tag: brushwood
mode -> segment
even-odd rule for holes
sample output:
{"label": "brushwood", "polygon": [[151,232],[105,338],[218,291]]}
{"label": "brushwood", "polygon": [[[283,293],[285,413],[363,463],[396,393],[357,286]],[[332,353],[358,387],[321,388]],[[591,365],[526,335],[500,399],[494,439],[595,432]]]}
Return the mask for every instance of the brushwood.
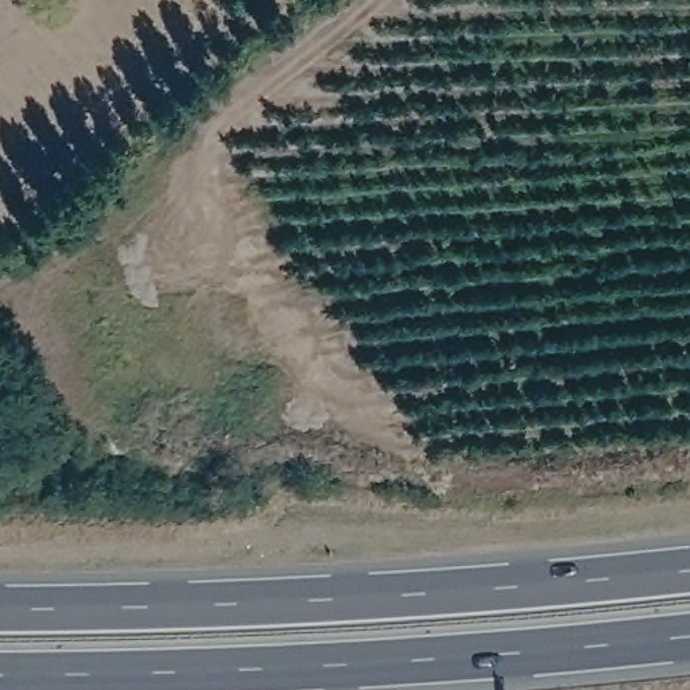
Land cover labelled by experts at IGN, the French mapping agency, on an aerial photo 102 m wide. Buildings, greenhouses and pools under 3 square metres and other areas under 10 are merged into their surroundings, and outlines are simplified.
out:
{"label": "brushwood", "polygon": [[671,499],[671,496],[677,496],[677,493],[685,493],[685,491],[690,491],[690,480],[668,480],[668,482],[660,482],[660,485],[658,485],[658,493],[660,493],[660,496],[663,496],[663,499]]}
{"label": "brushwood", "polygon": [[113,407],[113,423],[132,426],[148,410],[148,402],[178,396],[178,402],[194,407],[191,420],[199,429],[224,431],[237,445],[256,434],[253,415],[264,404],[264,399],[272,391],[278,391],[278,380],[283,375],[275,364],[270,364],[251,361],[248,367],[240,367],[237,375],[232,375],[224,385],[216,388],[167,383],[164,388],[143,391],[135,399],[124,396]]}

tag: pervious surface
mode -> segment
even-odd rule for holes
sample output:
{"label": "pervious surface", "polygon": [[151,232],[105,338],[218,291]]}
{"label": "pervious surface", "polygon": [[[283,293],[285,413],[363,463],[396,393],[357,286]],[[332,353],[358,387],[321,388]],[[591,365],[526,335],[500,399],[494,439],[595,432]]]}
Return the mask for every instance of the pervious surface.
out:
{"label": "pervious surface", "polygon": [[305,16],[302,24],[294,30],[291,46],[286,46],[283,51],[259,54],[259,59],[253,62],[253,73],[243,75],[232,86],[229,100],[216,102],[210,108],[213,116],[197,127],[194,146],[175,156],[170,164],[167,194],[156,197],[146,210],[135,213],[137,224],[143,224],[143,232],[135,237],[132,245],[124,245],[119,251],[119,261],[124,264],[132,296],[148,307],[156,307],[159,294],[178,288],[194,288],[205,296],[208,291],[243,294],[251,310],[248,318],[259,326],[264,353],[272,358],[270,364],[275,364],[283,375],[294,380],[291,402],[283,412],[283,420],[291,429],[323,429],[323,423],[329,420],[345,426],[348,431],[358,431],[369,445],[380,445],[394,456],[420,458],[426,453],[407,434],[404,412],[394,404],[394,391],[380,388],[369,369],[361,369],[350,358],[350,348],[356,348],[353,332],[342,329],[337,318],[329,318],[323,313],[332,305],[332,296],[321,294],[318,288],[299,288],[296,278],[283,270],[288,264],[288,256],[278,253],[267,243],[270,208],[259,194],[243,194],[245,186],[240,181],[240,173],[234,170],[232,159],[226,146],[226,132],[259,129],[264,124],[261,105],[267,100],[275,105],[294,108],[332,108],[340,100],[334,92],[326,92],[315,84],[318,73],[345,70],[356,75],[361,70],[358,59],[350,57],[350,49],[356,43],[377,46],[375,40],[380,32],[372,30],[372,19],[407,16],[410,0],[340,0],[337,13]]}
{"label": "pervious surface", "polygon": [[46,520],[46,515],[40,515],[30,526],[24,520],[0,523],[0,574],[167,574],[202,569],[345,566],[369,561],[412,561],[612,544],[631,539],[690,534],[690,491],[685,491],[685,493],[677,493],[677,496],[671,496],[671,499],[663,499],[663,496],[660,496],[596,501],[577,509],[437,509],[420,509],[410,501],[383,499],[372,493],[342,493],[332,499],[299,499],[294,491],[280,488],[264,507],[256,507],[243,520],[191,520],[183,526],[135,520],[70,523],[70,515],[57,515],[54,523]]}

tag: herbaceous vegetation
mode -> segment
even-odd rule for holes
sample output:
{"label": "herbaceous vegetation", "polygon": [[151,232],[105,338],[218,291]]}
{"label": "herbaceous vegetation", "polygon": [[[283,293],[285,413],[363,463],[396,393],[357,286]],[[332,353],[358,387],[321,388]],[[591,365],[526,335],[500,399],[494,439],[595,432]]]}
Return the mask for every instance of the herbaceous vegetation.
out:
{"label": "herbaceous vegetation", "polygon": [[690,113],[690,75],[677,73],[671,78],[655,78],[652,97],[644,100],[617,100],[620,89],[641,84],[641,75],[623,75],[606,81],[606,97],[590,105],[542,100],[534,108],[477,108],[474,119],[482,127],[482,135],[461,135],[453,146],[477,148],[488,140],[515,140],[520,146],[601,146],[674,135],[677,124],[639,124],[636,129],[558,127],[553,132],[493,132],[485,116],[571,119],[579,113],[612,113],[628,119],[633,111]]}
{"label": "herbaceous vegetation", "polygon": [[380,32],[375,40],[377,46],[456,40],[558,43],[563,38],[585,38],[585,43],[593,43],[658,35],[658,27],[458,27],[431,32]]}
{"label": "herbaceous vegetation", "polygon": [[361,70],[450,70],[458,65],[523,67],[528,62],[647,65],[663,59],[674,62],[679,59],[679,51],[515,57],[493,51],[469,51],[466,57],[450,59],[358,59]]}
{"label": "herbaceous vegetation", "polygon": [[240,181],[245,186],[243,194],[259,194],[259,181],[272,181],[272,170],[240,173]]}
{"label": "herbaceous vegetation", "polygon": [[690,690],[690,674],[650,677],[631,682],[625,690]]}
{"label": "herbaceous vegetation", "polygon": [[437,81],[418,81],[404,86],[372,84],[369,89],[342,84],[334,92],[340,100],[377,100],[380,94],[407,97],[418,92],[450,97],[482,92],[526,94],[536,86],[590,89],[590,78],[531,78],[499,84],[485,81],[453,86],[439,86]]}
{"label": "herbaceous vegetation", "polygon": [[544,456],[536,458],[534,466],[504,464],[499,456],[469,464],[458,453],[442,456],[439,461],[429,461],[426,453],[420,458],[394,456],[380,445],[369,445],[358,431],[348,431],[345,426],[329,420],[323,423],[323,429],[291,429],[283,420],[283,412],[291,402],[294,380],[283,375],[278,380],[278,391],[272,391],[264,399],[264,404],[253,415],[256,434],[237,445],[224,431],[199,429],[191,420],[194,407],[178,402],[178,396],[148,402],[148,410],[132,426],[113,423],[113,407],[124,396],[135,399],[143,391],[164,388],[167,383],[216,388],[224,385],[232,375],[237,375],[240,367],[248,367],[251,361],[270,364],[272,358],[264,353],[259,326],[248,318],[251,310],[243,294],[208,291],[205,296],[194,288],[178,288],[159,294],[156,307],[148,307],[132,296],[124,264],[119,261],[119,251],[124,245],[132,245],[135,237],[143,232],[143,224],[137,224],[135,213],[146,210],[156,197],[167,194],[170,164],[175,156],[194,146],[197,127],[189,129],[181,143],[170,137],[148,143],[148,148],[140,154],[137,173],[124,173],[121,191],[127,208],[105,208],[105,224],[89,245],[78,248],[75,253],[57,251],[27,280],[0,275],[0,321],[8,321],[13,315],[19,329],[32,337],[32,345],[43,358],[49,383],[54,383],[54,388],[62,394],[67,404],[67,415],[73,420],[81,420],[86,431],[105,434],[111,456],[140,458],[148,466],[162,466],[170,474],[178,474],[191,472],[199,456],[208,456],[210,450],[224,450],[226,480],[232,474],[253,472],[256,464],[283,464],[291,458],[307,458],[313,464],[332,466],[334,474],[342,480],[342,493],[372,493],[372,482],[412,480],[439,493],[437,509],[577,509],[596,501],[660,496],[660,493],[658,493],[658,485],[660,485],[660,482],[668,482],[668,480],[690,480],[690,450],[663,447],[647,453],[606,453],[590,458]]}
{"label": "herbaceous vegetation", "polygon": [[296,156],[299,151],[294,143],[275,148],[248,143],[226,146],[232,159],[251,154],[280,159]]}
{"label": "herbaceous vegetation", "polygon": [[407,16],[690,16],[690,0],[410,0]]}
{"label": "herbaceous vegetation", "polygon": [[655,159],[666,154],[690,156],[690,143],[658,146],[647,151],[615,151],[615,159],[620,162]]}

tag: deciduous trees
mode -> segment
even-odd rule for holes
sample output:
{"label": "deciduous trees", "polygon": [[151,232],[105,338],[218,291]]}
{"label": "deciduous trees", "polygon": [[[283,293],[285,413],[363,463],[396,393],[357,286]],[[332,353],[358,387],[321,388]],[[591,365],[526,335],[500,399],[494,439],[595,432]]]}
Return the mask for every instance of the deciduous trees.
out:
{"label": "deciduous trees", "polygon": [[46,520],[54,523],[57,515],[70,515],[70,523],[135,520],[183,526],[191,520],[243,520],[256,507],[264,507],[280,488],[294,491],[299,499],[332,499],[342,493],[342,480],[334,474],[332,466],[313,464],[307,458],[291,458],[283,464],[256,464],[253,472],[232,474],[226,480],[224,450],[210,450],[208,456],[199,456],[191,472],[178,474],[170,474],[162,466],[148,466],[140,458],[111,456],[105,434],[86,431],[81,420],[73,420],[67,415],[67,404],[62,394],[54,388],[54,383],[49,383],[43,358],[32,345],[32,337],[19,329],[13,315],[8,321],[0,321],[0,523],[24,520],[30,526],[40,515],[46,515]]}
{"label": "deciduous trees", "polygon": [[383,499],[410,501],[420,509],[437,509],[439,493],[412,480],[372,482],[372,493]]}
{"label": "deciduous trees", "polygon": [[283,270],[296,278],[299,288],[318,288],[321,294],[332,296],[332,305],[323,313],[329,318],[337,318],[342,329],[353,332],[356,348],[350,348],[350,358],[361,369],[369,369],[380,388],[394,391],[394,404],[404,412],[407,434],[426,453],[429,461],[439,461],[442,456],[458,453],[469,464],[499,456],[504,464],[534,466],[536,458],[544,456],[590,458],[606,453],[647,453],[663,447],[690,450],[690,156],[666,154],[655,159],[620,162],[615,159],[615,151],[647,151],[658,146],[690,143],[690,113],[633,111],[628,119],[612,113],[579,113],[571,119],[485,116],[493,132],[553,132],[558,127],[636,129],[639,124],[677,124],[674,135],[601,146],[520,146],[515,140],[488,140],[477,148],[453,146],[461,135],[482,135],[482,127],[474,119],[477,108],[534,108],[542,100],[590,105],[606,97],[606,81],[623,75],[641,75],[641,84],[620,89],[617,100],[644,100],[652,97],[655,78],[671,78],[677,73],[690,75],[690,16],[407,16],[372,19],[372,30],[380,32],[431,32],[458,27],[658,27],[658,35],[593,43],[585,43],[585,38],[563,38],[558,43],[456,40],[377,46],[356,43],[350,49],[350,57],[358,59],[450,59],[466,57],[469,51],[493,51],[515,57],[679,51],[679,59],[674,62],[663,59],[647,65],[528,62],[523,67],[458,65],[450,70],[361,70],[356,75],[345,70],[318,73],[315,84],[326,92],[334,92],[342,84],[369,89],[372,84],[404,86],[418,81],[437,81],[439,86],[453,86],[485,81],[499,84],[531,78],[590,78],[590,89],[536,86],[526,94],[482,92],[450,97],[418,92],[407,97],[380,94],[377,100],[340,100],[332,108],[294,108],[275,105],[267,100],[261,105],[264,124],[259,129],[226,132],[226,146],[248,143],[275,148],[294,143],[299,151],[296,156],[280,159],[251,154],[232,159],[234,170],[240,173],[272,170],[272,181],[259,181],[259,194],[270,208],[267,243],[278,253],[288,256],[288,264]]}
{"label": "deciduous trees", "polygon": [[46,30],[67,27],[81,0],[22,0],[22,5],[32,13],[32,22]]}
{"label": "deciduous trees", "polygon": [[283,51],[286,46],[291,46],[294,30],[302,24],[305,16],[337,13],[340,0],[288,0],[286,13],[278,11],[272,22],[251,27],[253,40],[248,40],[234,59],[218,57],[218,65],[205,67],[205,73],[189,89],[181,92],[181,97],[173,102],[173,111],[167,111],[151,127],[143,127],[140,135],[127,137],[121,154],[111,154],[111,167],[86,167],[86,173],[78,175],[59,194],[59,202],[49,191],[35,194],[30,199],[35,210],[32,224],[27,229],[32,237],[11,245],[8,256],[0,253],[0,275],[27,280],[57,251],[75,253],[78,248],[89,245],[105,224],[105,208],[127,208],[121,191],[124,173],[137,173],[140,154],[148,148],[148,143],[170,137],[181,143],[189,129],[197,127],[213,116],[210,108],[216,102],[229,100],[232,86],[243,75],[253,73],[253,62],[259,59],[259,54]]}

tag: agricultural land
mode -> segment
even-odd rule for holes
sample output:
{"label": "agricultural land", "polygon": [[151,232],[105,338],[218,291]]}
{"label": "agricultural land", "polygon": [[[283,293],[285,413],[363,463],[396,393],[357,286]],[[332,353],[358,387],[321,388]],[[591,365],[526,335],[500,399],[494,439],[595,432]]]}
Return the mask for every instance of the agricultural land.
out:
{"label": "agricultural land", "polygon": [[173,111],[173,102],[181,97],[181,92],[189,89],[205,73],[205,67],[218,65],[218,57],[234,59],[248,40],[253,40],[251,27],[272,22],[278,11],[286,13],[288,0],[81,0],[67,27],[46,30],[32,22],[32,13],[22,5],[22,0],[0,0],[0,253],[8,256],[11,245],[32,237],[27,229],[32,224],[35,210],[30,199],[35,194],[49,191],[59,202],[59,194],[78,175],[86,173],[86,167],[111,167],[111,154],[121,154],[127,137],[140,135],[143,127],[151,127],[167,111]]}

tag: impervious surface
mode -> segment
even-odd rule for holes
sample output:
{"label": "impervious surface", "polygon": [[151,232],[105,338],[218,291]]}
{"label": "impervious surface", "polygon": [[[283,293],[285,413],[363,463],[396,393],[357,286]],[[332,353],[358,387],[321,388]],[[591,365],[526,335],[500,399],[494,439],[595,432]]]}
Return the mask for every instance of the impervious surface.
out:
{"label": "impervious surface", "polygon": [[612,544],[412,561],[369,561],[345,566],[202,569],[167,574],[0,574],[0,690],[625,690],[631,682],[650,677],[690,674],[690,534],[631,539]]}

